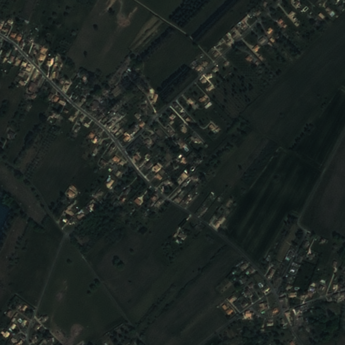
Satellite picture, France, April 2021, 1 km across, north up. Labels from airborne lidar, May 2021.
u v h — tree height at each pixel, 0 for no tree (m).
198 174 0
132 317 0
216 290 0
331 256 0
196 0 10
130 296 0
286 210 0
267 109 0
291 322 0
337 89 0
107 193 0
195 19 0
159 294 0
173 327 0
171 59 0
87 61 0
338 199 0
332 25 0
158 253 0
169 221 0
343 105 0
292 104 0
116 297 0
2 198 10
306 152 0
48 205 0
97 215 17
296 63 0
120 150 0
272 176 0
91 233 8
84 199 0
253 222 0
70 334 0
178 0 0
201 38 17
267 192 0
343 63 0
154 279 0
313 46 0
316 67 0
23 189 0
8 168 12
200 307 0
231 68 0
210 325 0
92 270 0
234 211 0
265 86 7
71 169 0
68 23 0
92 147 0
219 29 0
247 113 0
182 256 0
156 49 13
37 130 13
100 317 0
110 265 0
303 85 0
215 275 0
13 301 6
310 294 0
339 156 0
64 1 0
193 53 0
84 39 0
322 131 0
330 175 0
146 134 6
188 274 0
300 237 8
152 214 10
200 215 0
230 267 0
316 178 0
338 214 0
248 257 0
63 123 11
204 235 0
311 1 0
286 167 0
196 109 0
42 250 0
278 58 10
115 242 9
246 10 0
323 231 0
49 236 0
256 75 7
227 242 0
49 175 0
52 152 0
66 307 0
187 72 14
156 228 0
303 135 10
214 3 0
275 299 0
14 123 6
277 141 0
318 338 13
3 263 0
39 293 0
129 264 0
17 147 0
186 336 0
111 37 0
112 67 0
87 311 0
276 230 0
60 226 0
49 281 0
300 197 0
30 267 0
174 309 0
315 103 0
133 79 18
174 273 0
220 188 0
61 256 0
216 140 0
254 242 0
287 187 0
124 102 7
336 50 0
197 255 0
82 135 0
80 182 0
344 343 0
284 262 9
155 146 6
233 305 0
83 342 0
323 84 0
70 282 0
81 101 6
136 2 0
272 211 0
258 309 0
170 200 0
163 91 15
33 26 0
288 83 0
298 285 0
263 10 7
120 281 0
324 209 0
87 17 0
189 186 6
